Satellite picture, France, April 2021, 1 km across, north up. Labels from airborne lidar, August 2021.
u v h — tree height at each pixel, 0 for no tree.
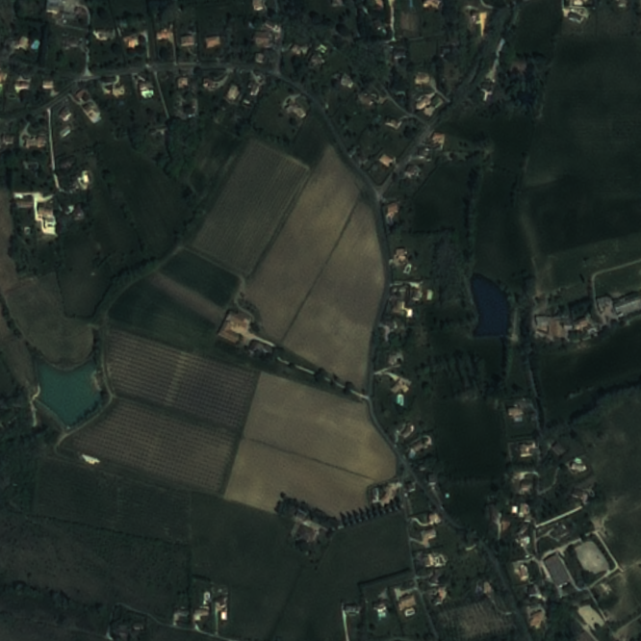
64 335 0
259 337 0
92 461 0
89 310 0
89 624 0
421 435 8
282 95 0
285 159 0
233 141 0
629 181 0
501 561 15
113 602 0
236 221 0
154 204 0
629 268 0
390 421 0
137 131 17
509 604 19
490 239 0
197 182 0
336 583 0
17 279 0
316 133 0
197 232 0
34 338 0
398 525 0
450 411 0
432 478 0
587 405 0
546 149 0
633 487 0
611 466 0
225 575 0
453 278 24
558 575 0
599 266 0
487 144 31
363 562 0
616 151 0
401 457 0
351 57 18
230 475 0
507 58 16
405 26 0
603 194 0
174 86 7
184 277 0
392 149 0
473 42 17
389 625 0
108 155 0
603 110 0
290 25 19
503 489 8
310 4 0
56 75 11
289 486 0
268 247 0
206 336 0
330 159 0
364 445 0
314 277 0
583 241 0
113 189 13
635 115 0
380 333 10
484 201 0
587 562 0
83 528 8
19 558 0
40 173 10
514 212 0
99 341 8
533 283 16
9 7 15
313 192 0
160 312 0
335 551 0
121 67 13
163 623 0
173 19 12
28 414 20
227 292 0
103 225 0
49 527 0
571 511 0
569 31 0
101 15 12
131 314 0
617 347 0
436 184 0
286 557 0
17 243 15
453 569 9
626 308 0
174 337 0
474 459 0
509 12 18
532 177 0
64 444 0
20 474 11
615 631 10
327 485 0
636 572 0
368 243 0
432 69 13
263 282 0
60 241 12
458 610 19
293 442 0
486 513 14
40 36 9
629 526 0
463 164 7
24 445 25
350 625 0
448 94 9
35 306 0
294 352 0
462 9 12
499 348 0
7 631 0
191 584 5
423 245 0
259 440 0
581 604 10
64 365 11
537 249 0
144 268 17
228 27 7
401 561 0
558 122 0
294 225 0
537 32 0
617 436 0
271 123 0
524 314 13
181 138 21
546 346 11
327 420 0
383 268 0
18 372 0
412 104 8
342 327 0
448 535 0
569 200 0
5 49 9
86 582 0
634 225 0
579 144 0
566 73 0
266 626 0
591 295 8
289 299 0
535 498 9
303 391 0
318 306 0
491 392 27
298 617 0
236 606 0
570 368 0
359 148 7
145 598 0
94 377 0
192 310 0
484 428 0
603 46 0
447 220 0
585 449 0
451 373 21
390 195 0
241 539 0
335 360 0
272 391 0
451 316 0
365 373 0
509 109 13
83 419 10
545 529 0
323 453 0
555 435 16
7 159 19
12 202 9
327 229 0
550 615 15
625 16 0
